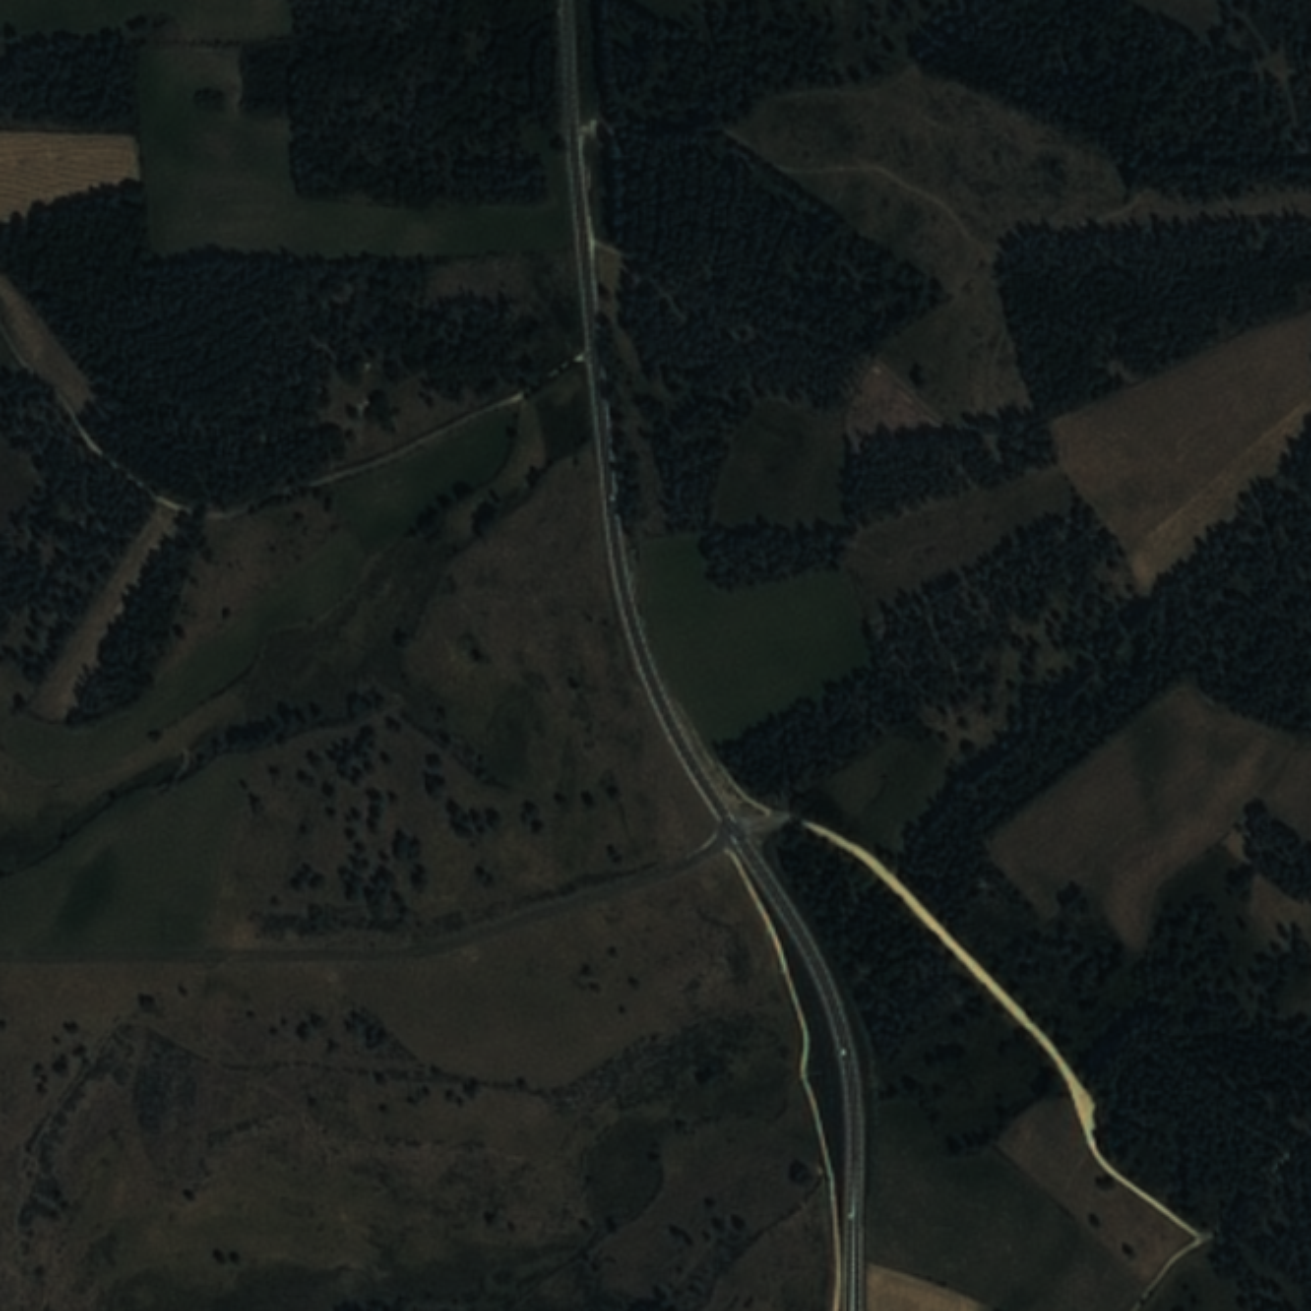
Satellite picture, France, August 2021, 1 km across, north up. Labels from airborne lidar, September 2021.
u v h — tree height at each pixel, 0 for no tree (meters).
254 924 0
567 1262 0
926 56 18
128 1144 0
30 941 0
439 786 13
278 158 0
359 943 0
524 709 0
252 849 0
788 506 0
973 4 22
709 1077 12
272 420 15
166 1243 0
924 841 13
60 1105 0
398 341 17
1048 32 17
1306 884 17
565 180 0
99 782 0
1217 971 8
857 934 15
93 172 0
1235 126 14
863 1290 0
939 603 16
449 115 13
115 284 14
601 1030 0
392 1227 0
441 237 0
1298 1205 19
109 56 14
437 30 12
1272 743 0
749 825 0
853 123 0
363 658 0
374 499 0
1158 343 17
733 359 20
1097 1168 0
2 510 0
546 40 21
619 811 0
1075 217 0
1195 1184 18
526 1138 0
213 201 0
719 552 15
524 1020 0
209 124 0
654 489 0
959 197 0
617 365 6
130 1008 0
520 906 0
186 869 0
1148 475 0
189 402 21
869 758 0
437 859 0
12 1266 0
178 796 0
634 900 0
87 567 13
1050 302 14
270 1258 0
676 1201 0
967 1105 0
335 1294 0
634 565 0
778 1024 0
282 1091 0
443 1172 0
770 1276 0
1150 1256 0
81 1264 0
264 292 16
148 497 14
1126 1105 19
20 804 0
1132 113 17
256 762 0
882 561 0
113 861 0
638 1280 0
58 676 0
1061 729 22
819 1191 0
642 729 0
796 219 20
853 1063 0
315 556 0
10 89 17
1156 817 0
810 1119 0
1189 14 0
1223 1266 14
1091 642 11
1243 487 0
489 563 0
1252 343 0
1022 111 19
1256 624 16
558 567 0
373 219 0
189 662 0
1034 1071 0
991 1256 0
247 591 0
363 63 9
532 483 12
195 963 0
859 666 0
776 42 11
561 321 0
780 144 0
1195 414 0
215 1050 0
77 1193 0
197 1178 0
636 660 0
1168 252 17
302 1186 0
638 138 20
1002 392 0
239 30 0
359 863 8
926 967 21
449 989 0
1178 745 0
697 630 0
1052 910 0
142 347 19
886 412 0
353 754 12
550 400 0
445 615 0
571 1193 0
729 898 0
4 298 0
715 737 0
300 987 0
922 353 0
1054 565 17
